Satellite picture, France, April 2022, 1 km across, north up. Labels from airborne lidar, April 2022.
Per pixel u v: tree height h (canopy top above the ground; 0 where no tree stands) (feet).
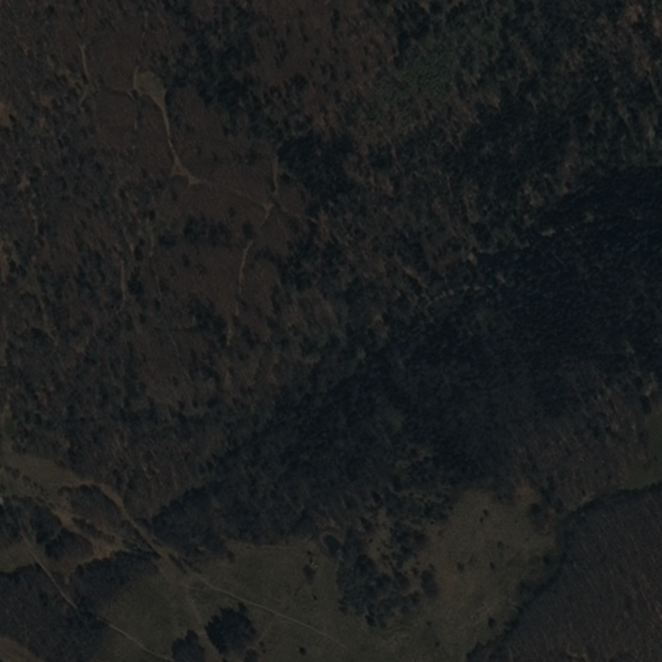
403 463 0
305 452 83
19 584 60
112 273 73
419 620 0
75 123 90
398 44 28
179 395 65
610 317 98
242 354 51
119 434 79
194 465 95
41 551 0
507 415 80
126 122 58
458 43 66
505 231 73
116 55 52
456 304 87
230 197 50
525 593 38
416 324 118
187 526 85
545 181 82
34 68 83
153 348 52
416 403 64
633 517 82
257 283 62
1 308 81
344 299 75
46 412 64
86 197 80
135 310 65
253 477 47
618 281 99
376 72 55
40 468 0
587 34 51
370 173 69
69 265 30
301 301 57
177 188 60
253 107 60
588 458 100
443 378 90
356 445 74
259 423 70
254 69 27
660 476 0
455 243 36
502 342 80
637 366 80
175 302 55
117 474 71
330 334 52
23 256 62
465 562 0
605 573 91
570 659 60
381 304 102
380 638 0
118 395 72
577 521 39
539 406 76
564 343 83
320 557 0
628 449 77
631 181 38
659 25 87
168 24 41
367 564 39
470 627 0
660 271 91
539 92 92
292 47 41
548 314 94
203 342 54
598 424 64
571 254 92
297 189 47
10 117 0
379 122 67
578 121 105
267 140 81
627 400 94
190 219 48
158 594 0
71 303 29
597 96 90
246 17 72
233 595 0
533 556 0
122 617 0
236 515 61
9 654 0
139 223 75
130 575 44
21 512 59
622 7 92
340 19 93
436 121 71
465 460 42
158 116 49
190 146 43
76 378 79
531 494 0
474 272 28
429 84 78
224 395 92
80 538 34
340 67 32
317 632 0
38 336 78
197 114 58
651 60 95
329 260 67
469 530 0
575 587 71
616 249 96
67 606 40
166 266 46
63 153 67
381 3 44
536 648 73
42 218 74
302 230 50
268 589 0
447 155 83
